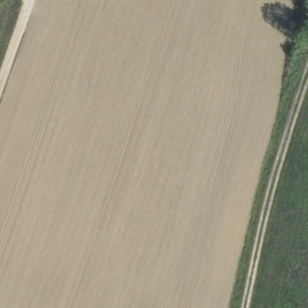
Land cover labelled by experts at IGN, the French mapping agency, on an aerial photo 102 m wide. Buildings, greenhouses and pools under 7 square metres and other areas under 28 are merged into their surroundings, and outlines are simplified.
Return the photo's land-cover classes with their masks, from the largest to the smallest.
<instances>
[{"label":"plowed land","instance_id":"1","mask_svg":"<svg viewBox=\"0 0 308 308\"><path fill-rule=\"evenodd\" d=\"M34 7L20 38L0 96V308H229L263 158L276 122L284 59L285 55L291 54L292 49L296 47V36L285 30L290 20L284 10L286 7H294L291 0H31Z\"/></svg>","mask_w":308,"mask_h":308},{"label":"agricultural land","instance_id":"2","mask_svg":"<svg viewBox=\"0 0 308 308\"><path fill-rule=\"evenodd\" d=\"M250 308H308V90L292 132L288 154L274 195Z\"/></svg>","mask_w":308,"mask_h":308},{"label":"herbaceous vegetation","instance_id":"3","mask_svg":"<svg viewBox=\"0 0 308 308\"><path fill-rule=\"evenodd\" d=\"M24 0H0V69ZM294 7H286L284 10L290 20L285 30L296 36L301 30H307L308 20V0H291ZM308 58V48L300 61L292 58L291 54L285 55L284 59L276 122L263 158L229 308H241L263 196L291 103L300 85L303 67Z\"/></svg>","mask_w":308,"mask_h":308},{"label":"pervious surface","instance_id":"4","mask_svg":"<svg viewBox=\"0 0 308 308\"><path fill-rule=\"evenodd\" d=\"M34 7L31 0H24L0 69V96L20 38ZM308 90V58L303 67L300 85L291 103L263 196L241 308H250L274 195L288 154L292 132Z\"/></svg>","mask_w":308,"mask_h":308},{"label":"deciduous trees","instance_id":"5","mask_svg":"<svg viewBox=\"0 0 308 308\"><path fill-rule=\"evenodd\" d=\"M296 47L292 49L291 54L292 58L300 61L308 48V20L307 30H301L296 36Z\"/></svg>","mask_w":308,"mask_h":308}]
</instances>
